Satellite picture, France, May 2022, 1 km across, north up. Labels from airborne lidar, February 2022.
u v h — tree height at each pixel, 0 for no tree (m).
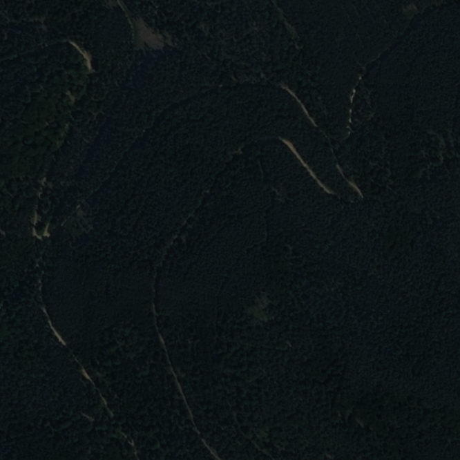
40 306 24
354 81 18
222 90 33
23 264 20
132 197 33
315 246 28
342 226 33
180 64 29
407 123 15
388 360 24
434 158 15
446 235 31
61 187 28
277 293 21
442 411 9
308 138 23
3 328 29
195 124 28
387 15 21
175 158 32
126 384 12
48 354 29
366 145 33
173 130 35
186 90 36
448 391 25
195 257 20
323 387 25
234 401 9
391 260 32
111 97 28
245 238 24
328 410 21
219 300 19
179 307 16
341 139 22
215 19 29
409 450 11
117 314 21
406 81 24
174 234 22
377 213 30
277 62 31
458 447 11
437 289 27
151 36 0
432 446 10
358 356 23
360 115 27
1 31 16
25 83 32
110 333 30
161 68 29
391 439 11
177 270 20
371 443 20
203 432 30
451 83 26
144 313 20
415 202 26
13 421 19
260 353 18
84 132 25
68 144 35
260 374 18
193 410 9
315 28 17
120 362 8
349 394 16
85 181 35
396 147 23
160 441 39
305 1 16
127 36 28
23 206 13
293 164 29
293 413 20
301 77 28
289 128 31
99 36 27
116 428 31
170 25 29
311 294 31
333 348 17
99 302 19
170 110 32
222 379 12
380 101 17
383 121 18
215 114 28
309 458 23
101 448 31
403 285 32
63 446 17
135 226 33
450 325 29
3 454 8
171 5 11
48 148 30
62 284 21
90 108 23
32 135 36
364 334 29
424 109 18
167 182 26
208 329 12
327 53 18
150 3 20
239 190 25
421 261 32
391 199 22
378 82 17
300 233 30
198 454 29
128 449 29
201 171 22
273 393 23
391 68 20
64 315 20
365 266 34
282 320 23
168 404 23
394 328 30
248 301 12
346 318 30
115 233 33
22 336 26
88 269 17
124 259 23
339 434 22
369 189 20
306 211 29
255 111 32
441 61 27
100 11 24
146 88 32
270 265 22
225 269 19
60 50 26
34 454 12
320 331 21
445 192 25
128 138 35
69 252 26
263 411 16
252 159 18
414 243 29
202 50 28
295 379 15
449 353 23
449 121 27
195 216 31
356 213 35
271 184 22
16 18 26
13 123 30
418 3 22
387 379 24
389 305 27
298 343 17
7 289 27
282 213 25
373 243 34
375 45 21
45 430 28
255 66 32
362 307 26
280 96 27
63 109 36
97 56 28
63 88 15
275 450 16
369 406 25
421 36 24
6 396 30
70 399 34
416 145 18
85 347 18
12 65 29
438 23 21
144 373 27
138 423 13
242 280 21
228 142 24
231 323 9
